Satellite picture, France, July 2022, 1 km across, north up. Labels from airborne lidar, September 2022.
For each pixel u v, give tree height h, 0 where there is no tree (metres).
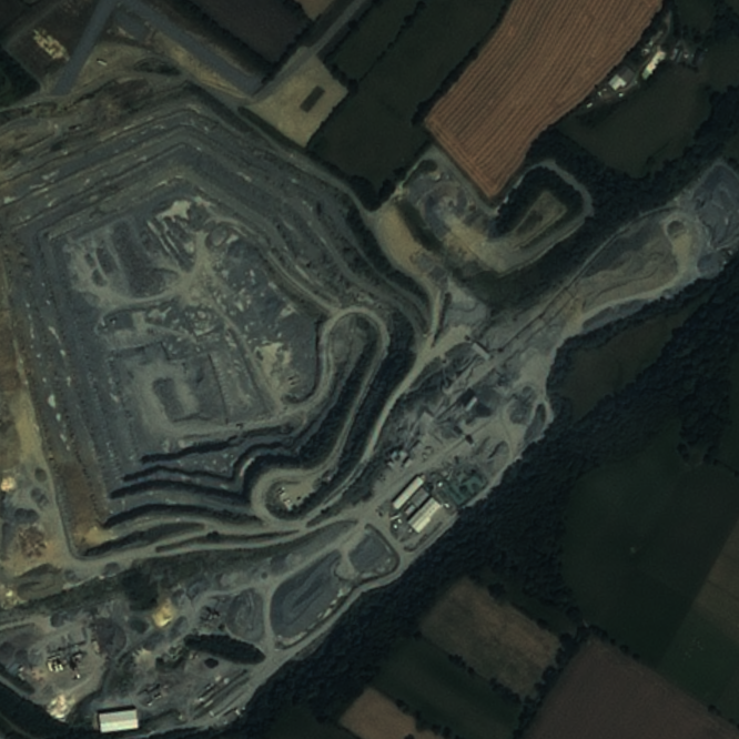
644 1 0
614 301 0
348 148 0
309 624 0
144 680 0
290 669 6
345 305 0
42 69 0
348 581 0
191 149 0
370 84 0
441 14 0
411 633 17
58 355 0
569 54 0
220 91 0
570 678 0
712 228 0
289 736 0
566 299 0
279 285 0
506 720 0
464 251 0
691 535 0
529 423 0
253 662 7
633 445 19
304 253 0
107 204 0
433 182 0
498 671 0
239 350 0
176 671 0
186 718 0
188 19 0
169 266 0
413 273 0
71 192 0
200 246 0
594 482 0
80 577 0
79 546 0
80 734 11
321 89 0
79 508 0
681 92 0
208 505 0
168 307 0
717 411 21
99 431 0
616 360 0
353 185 7
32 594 0
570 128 0
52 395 0
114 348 0
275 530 0
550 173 12
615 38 0
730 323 24
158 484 0
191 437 0
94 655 0
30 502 0
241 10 0
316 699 21
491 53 0
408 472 0
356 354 0
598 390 0
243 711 6
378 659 18
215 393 0
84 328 0
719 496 0
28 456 0
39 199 0
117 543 0
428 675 0
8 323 0
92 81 0
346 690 16
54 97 0
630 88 0
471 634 0
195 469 0
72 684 0
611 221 19
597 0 0
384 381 7
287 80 0
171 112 0
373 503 0
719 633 0
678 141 0
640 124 0
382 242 0
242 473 0
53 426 0
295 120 0
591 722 0
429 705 0
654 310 12
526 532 21
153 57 0
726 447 0
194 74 0
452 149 0
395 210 0
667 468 0
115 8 0
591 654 0
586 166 19
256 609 0
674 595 0
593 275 0
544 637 0
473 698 0
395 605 18
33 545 0
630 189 21
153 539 0
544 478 19
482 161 0
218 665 0
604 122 0
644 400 20
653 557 0
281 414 0
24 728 7
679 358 18
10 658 0
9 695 14
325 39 0
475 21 0
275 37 0
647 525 0
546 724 0
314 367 0
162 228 0
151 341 0
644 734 0
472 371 0
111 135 0
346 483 0
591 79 0
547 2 0
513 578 18
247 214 0
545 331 0
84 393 0
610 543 0
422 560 7
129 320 0
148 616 0
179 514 0
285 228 0
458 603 0
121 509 0
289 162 0
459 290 0
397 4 0
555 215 0
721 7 14
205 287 0
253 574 0
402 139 0
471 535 16
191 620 0
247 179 0
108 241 0
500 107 0
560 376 14
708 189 0
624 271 0
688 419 17
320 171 0
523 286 6
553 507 20
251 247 0
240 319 0
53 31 0
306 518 0
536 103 0
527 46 0
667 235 0
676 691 0
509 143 0
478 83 0
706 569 0
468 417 0
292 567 0
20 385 0
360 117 0
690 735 0
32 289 0
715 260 0
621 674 0
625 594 0
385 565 0
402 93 0
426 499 0
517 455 0
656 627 0
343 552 0
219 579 0
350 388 10
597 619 0
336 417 10
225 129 0
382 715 0
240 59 0
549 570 15
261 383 0
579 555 0
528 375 0
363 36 0
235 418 0
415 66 0
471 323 0
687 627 0
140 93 0
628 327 6
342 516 0
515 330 0
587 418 8
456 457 0
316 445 10
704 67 0
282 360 0
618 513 0
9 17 0
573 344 10
